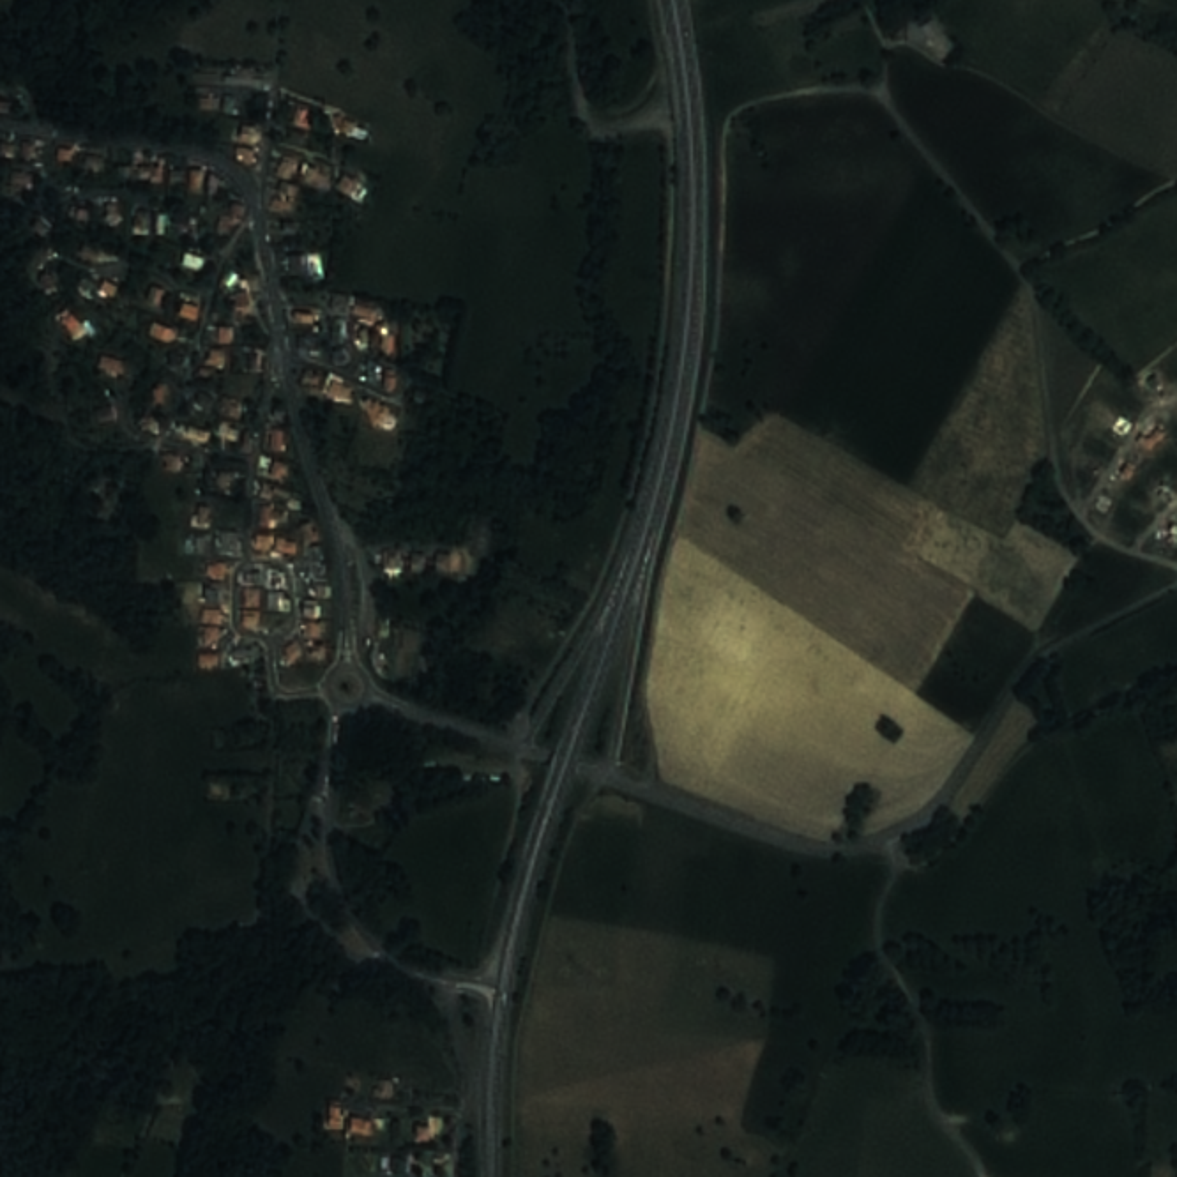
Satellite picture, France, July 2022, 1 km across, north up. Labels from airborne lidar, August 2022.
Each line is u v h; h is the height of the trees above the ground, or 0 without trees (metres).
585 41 8
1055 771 0
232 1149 17
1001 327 0
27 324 22
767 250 0
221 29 0
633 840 0
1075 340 10
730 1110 0
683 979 0
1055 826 0
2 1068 29
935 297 0
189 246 11
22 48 20
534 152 0
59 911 15
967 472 0
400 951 11
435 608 12
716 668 0
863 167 0
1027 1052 0
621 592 0
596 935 0
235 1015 13
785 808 0
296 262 0
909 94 0
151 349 5
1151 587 0
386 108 0
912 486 0
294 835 10
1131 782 0
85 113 21
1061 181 0
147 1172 0
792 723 0
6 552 13
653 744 0
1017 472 0
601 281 10
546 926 0
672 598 0
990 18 0
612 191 16
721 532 0
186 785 0
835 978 0
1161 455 0
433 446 9
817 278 0
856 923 0
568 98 7
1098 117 0
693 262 0
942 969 12
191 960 11
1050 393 0
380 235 0
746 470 0
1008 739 0
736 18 0
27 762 0
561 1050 0
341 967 9
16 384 19
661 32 0
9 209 17
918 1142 0
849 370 0
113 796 0
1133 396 0
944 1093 0
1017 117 0
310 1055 0
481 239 0
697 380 0
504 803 0
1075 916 0
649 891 0
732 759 0
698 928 0
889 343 0
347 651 0
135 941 0
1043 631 0
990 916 0
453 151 0
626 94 0
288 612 0
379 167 0
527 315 0
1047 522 8
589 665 0
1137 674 0
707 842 0
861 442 0
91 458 11
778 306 0
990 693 0
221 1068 21
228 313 6
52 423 11
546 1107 0
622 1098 0
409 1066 0
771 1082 0
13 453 14
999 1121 12
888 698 0
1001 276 0
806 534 0
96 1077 17
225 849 0
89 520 17
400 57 0
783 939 0
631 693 0
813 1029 0
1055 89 0
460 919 0
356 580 7
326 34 0
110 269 0
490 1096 0
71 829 0
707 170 0
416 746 18
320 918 12
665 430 0
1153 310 0
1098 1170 0
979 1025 10
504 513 22
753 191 0
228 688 0
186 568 0
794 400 0
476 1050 0
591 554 0
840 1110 0
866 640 0
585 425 25
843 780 0
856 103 0
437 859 0
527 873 0
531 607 7
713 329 0
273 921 14
